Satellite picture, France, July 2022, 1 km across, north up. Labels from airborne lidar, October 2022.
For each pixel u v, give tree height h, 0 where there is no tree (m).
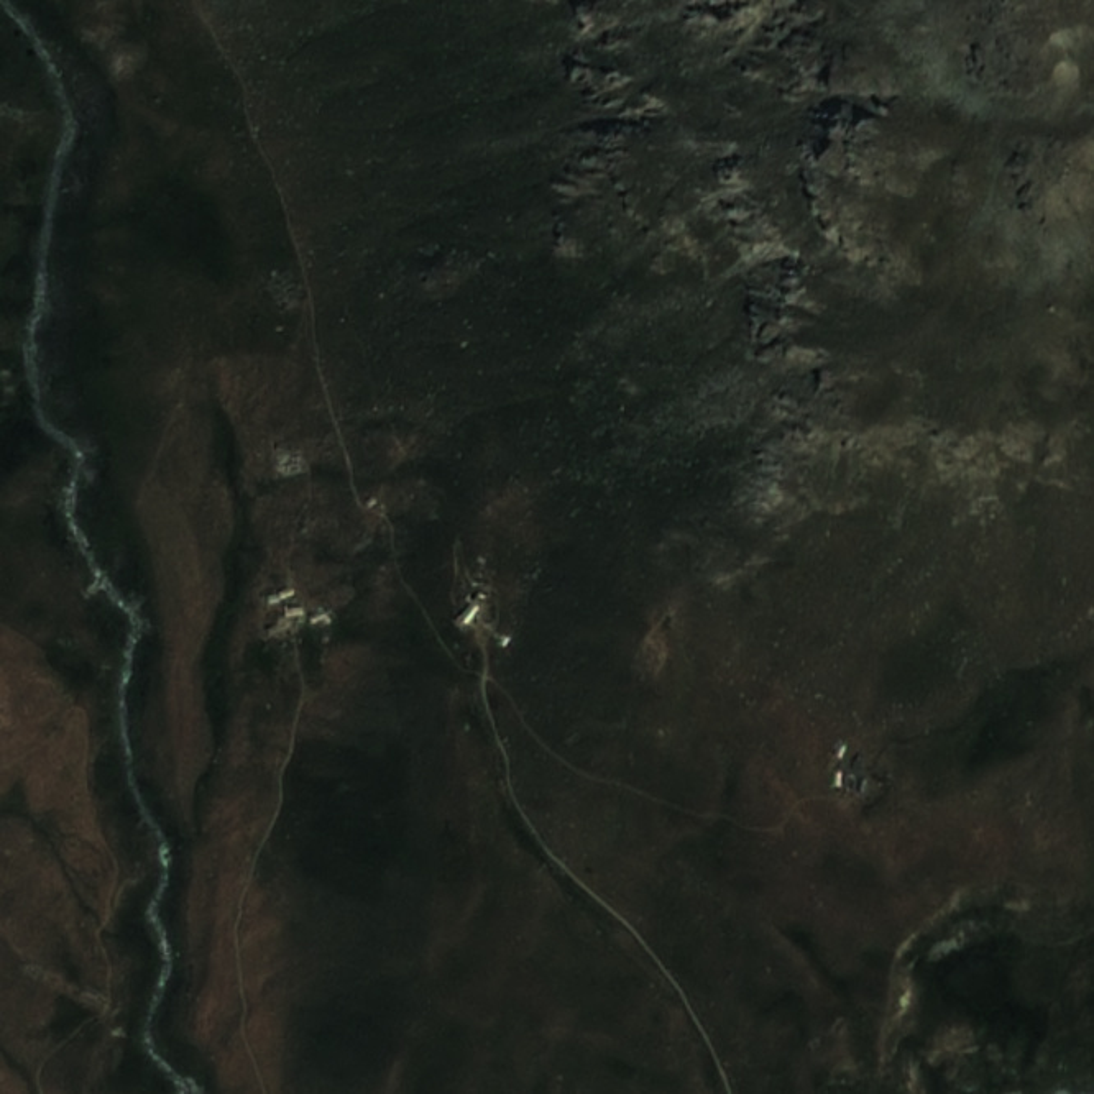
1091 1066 0
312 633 0
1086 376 0
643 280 0
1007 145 0
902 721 0
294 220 0
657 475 0
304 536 0
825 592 0
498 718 0
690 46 0
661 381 0
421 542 0
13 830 0
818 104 0
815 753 0
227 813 0
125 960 0
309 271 0
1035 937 0
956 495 0
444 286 0
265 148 0
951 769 0
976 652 0
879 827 0
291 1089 0
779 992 0
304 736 0
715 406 0
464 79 0
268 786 0
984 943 0
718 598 0
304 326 0
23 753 0
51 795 0
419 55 0
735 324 0
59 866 0
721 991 0
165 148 0
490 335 0
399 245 0
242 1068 0
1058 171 0
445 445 0
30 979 0
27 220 0
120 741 0
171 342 0
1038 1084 0
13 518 0
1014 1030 0
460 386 0
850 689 0
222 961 0
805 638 0
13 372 0
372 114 0
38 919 0
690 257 0
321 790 0
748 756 0
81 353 0
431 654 0
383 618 0
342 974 0
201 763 0
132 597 0
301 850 0
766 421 0
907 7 0
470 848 0
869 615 0
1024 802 0
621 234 0
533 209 0
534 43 0
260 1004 0
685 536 0
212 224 0
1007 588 0
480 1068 0
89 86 0
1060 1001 0
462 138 0
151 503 0
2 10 0
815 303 0
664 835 0
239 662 0
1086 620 0
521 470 0
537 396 0
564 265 0
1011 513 0
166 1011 0
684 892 0
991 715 0
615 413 0
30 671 0
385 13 0
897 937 0
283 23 0
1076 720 0
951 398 0
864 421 0
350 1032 0
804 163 0
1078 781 0
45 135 0
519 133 0
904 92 0
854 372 0
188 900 0
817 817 0
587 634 0
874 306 0
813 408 0
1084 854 0
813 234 0
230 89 0
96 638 0
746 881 0
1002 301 0
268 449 0
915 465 0
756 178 0
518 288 0
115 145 0
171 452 0
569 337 0
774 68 0
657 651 0
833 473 0
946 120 0
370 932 0
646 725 0
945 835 0
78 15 0
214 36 0
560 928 0
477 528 0
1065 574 0
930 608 0
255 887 0
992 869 0
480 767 0
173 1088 0
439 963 0
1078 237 0
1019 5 0
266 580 0
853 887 0
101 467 0
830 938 0
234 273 0
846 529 0
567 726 0
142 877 0
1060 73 0
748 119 0
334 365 0
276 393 0
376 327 0
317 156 0
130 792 0
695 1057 0
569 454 0
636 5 0
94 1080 0
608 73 8
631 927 0
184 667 0
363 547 0
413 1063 0
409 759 0
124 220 0
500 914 0
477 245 0
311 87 0
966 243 0
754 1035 0
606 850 0
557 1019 0
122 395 0
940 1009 0
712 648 0
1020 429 0
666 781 0
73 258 0
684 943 0
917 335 0
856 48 0
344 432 0
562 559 0
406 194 0
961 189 0
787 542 0
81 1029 0
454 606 0
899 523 0
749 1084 0
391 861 0
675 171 0
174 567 0
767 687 0
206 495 0
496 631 0
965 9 0
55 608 0
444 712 0
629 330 0
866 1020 0
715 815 0
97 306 0
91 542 0
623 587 0
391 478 0
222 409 0
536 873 0
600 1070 0
